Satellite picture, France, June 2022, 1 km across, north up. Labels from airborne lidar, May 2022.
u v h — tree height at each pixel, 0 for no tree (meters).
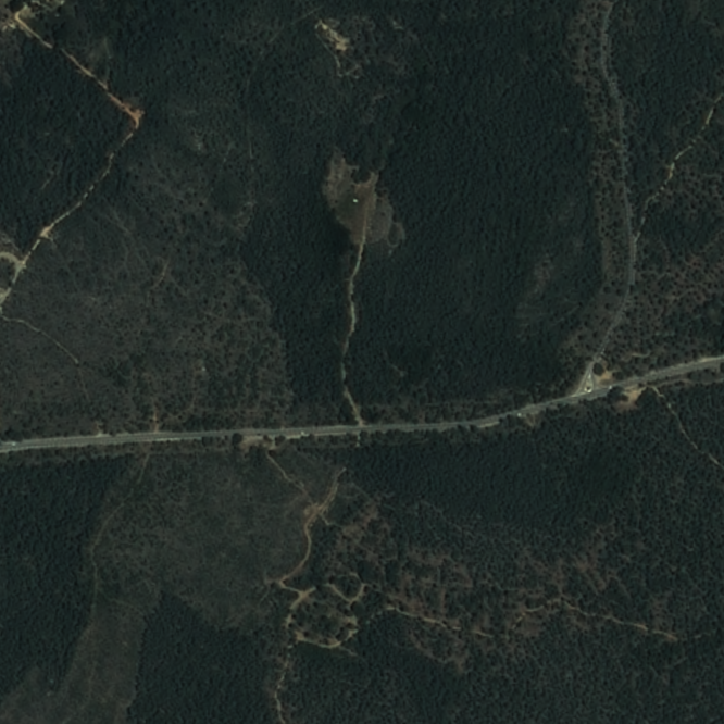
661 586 13
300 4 8
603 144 11
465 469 11
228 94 9
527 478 14
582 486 8
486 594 7
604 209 7
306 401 12
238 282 9
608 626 6
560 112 13
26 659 12
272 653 11
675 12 11
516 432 7
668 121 12
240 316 6
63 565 16
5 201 7
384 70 10
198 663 13
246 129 8
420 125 10
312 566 6
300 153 7
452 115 12
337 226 13
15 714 0
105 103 6
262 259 12
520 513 14
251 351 6
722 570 12
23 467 12
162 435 0
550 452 10
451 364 7
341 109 7
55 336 0
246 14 9
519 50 17
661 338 13
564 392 9
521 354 9
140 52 7
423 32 15
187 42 12
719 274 12
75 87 11
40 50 14
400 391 8
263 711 13
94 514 14
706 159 7
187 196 7
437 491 14
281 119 12
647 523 12
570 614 6
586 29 7
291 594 8
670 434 11
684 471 12
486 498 13
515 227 6
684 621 10
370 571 16
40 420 6
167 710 10
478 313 5
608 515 14
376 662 6
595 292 11
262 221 6
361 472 12
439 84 18
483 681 15
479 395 10
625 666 11
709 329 18
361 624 9
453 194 13
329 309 6
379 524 10
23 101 11
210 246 6
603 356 7
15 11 10
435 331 9
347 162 7
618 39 11
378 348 9
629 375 6
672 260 8
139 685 11
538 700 13
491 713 15
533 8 17
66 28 12
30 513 15
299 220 14
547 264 9
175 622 15
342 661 8
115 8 10
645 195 8
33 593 14
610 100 9
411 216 14
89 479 13
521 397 9
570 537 16
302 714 11
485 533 11
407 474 16
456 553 10
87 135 13
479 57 9
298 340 9
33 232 11
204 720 12
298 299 12
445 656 6
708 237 12
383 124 7
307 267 13
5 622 12
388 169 10
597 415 11
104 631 0
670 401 9
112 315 6
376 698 8
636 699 8
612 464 7
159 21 8
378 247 0
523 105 12
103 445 0
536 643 7
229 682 16
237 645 14
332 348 9
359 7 7
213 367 6
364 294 7
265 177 6
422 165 9
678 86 14
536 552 10
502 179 16
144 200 6
